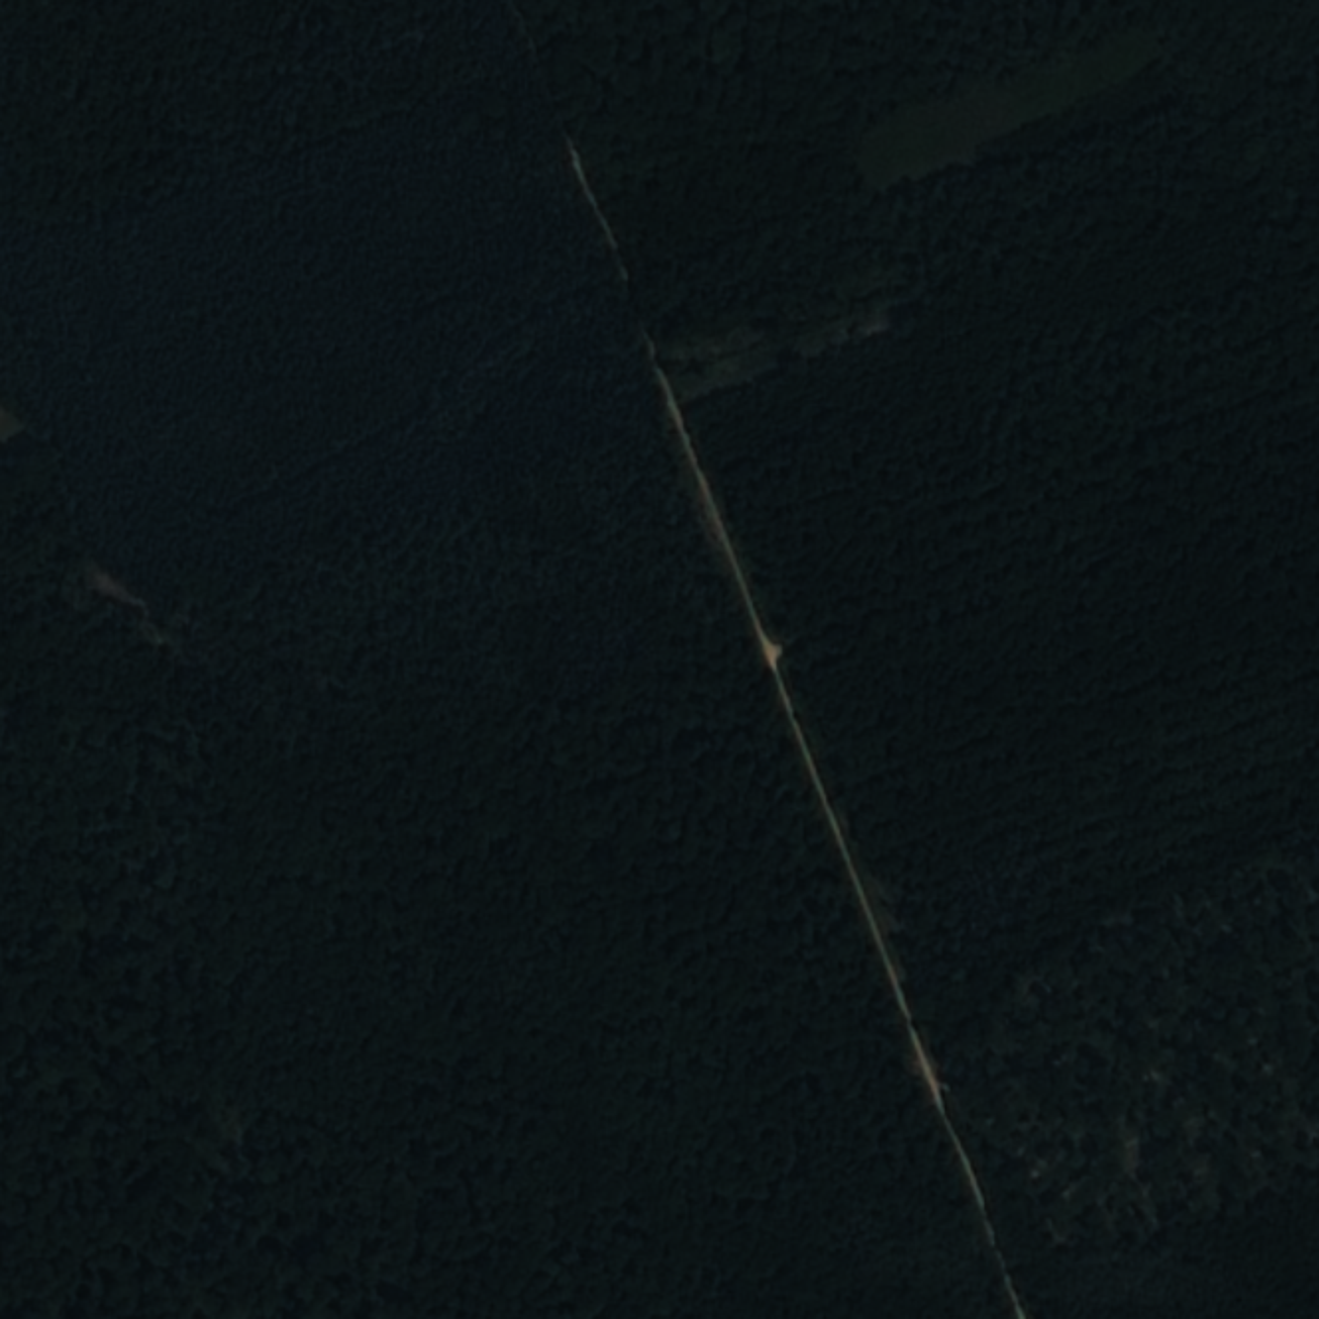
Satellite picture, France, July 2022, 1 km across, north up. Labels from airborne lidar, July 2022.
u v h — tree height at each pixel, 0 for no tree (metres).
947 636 24
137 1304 7
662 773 26
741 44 13
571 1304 25
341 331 25
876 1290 25
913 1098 24
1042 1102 27
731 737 30
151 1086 29
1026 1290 14
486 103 24
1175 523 25
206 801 23
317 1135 26
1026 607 20
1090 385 28
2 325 28
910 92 20
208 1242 27
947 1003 25
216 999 30
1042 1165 27
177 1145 28
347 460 23
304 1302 33
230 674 23
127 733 17
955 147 0
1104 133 22
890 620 18
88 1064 27
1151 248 15
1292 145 27
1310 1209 18
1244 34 25
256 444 22
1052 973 24
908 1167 24
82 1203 25
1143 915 24
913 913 19
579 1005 25
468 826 25
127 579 25
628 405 24
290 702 22
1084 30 17
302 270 22
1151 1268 17
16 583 11
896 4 20
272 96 23
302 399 25
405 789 21
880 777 21
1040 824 16
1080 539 17
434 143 19
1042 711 23
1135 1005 29
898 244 22
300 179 25
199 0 23
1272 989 26
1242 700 19
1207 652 23
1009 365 11
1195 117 24
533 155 21
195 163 24
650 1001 25
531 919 24
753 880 28
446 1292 25
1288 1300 19
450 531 30
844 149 13
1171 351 31
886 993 17
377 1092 22
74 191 18
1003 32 22
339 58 22
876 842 22
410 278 19
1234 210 14
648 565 23
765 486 21
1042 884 17
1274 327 13
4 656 27
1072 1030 22
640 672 25
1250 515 23
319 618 22
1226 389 19
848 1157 24
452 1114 27
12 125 21
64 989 25
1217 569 27
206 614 20
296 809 23
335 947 25
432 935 24
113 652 10
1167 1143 29
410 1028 28
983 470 25
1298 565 23
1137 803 13
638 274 17
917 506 21
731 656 23
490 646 31
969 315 12
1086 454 21
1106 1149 27
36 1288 26
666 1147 23
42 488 21
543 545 23
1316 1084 27
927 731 15
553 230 21
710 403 10
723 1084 28
